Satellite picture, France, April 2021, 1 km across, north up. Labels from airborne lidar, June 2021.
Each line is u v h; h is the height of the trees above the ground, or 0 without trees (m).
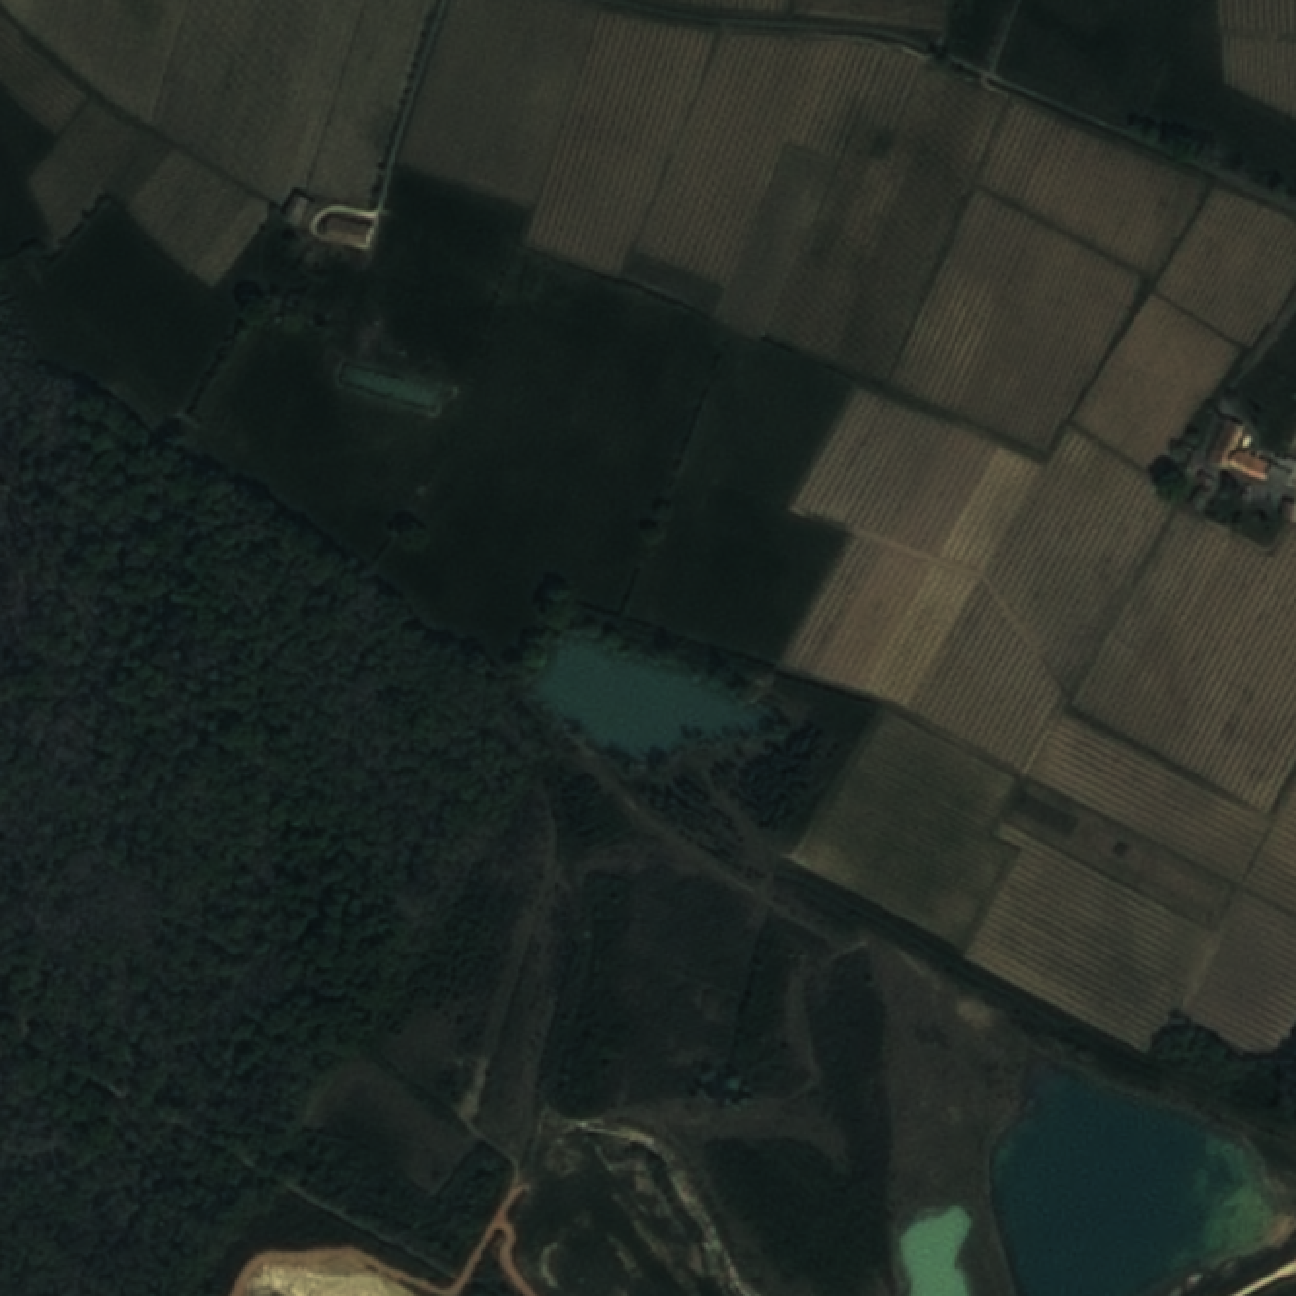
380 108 0
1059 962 0
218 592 24
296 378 0
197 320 0
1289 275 0
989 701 0
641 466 0
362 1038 6
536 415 0
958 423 0
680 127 0
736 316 0
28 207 0
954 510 0
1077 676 0
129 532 16
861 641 0
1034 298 0
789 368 0
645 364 0
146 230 0
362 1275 0
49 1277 18
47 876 22
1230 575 0
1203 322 0
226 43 0
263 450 0
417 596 0
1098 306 0
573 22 0
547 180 0
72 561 15
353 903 17
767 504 0
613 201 0
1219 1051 16
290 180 0
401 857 21
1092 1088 0
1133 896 0
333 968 18
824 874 0
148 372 0
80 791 23
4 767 21
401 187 0
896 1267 0
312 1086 16
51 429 16
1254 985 0
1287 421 0
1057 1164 0
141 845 20
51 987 18
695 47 0
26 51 0
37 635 22
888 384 0
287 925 14
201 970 20
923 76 0
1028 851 0
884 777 0
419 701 20
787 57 0
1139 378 0
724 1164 8
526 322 0
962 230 0
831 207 0
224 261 0
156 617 18
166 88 0
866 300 0
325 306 0
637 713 0
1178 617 0
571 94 0
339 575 22
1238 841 0
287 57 0
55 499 25
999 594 0
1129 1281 0
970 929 0
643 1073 6
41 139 0
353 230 0
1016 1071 0
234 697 25
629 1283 0
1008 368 0
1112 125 0
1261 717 0
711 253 0
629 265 0
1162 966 0
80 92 0
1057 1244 0
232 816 23
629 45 0
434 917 16
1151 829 0
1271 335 0
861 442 0
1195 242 0
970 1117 0
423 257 0
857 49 0
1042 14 0
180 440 20
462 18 0
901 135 0
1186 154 17
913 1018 0
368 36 0
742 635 0
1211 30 0
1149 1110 0
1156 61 0
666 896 7
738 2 0
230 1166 18
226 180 0
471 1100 0
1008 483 0
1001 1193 0
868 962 0
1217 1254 0
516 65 0
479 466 0
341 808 25
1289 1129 0
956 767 0
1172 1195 0
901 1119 0
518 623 0
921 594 0
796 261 0
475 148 0
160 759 26
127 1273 24
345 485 0
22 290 0
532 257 0
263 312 20
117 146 0
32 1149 27
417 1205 6
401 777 19
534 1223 0
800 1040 0
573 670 0
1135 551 0
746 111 0
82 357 0
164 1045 19
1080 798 0
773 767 10
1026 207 0
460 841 20
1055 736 0
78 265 0
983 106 0
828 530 0
